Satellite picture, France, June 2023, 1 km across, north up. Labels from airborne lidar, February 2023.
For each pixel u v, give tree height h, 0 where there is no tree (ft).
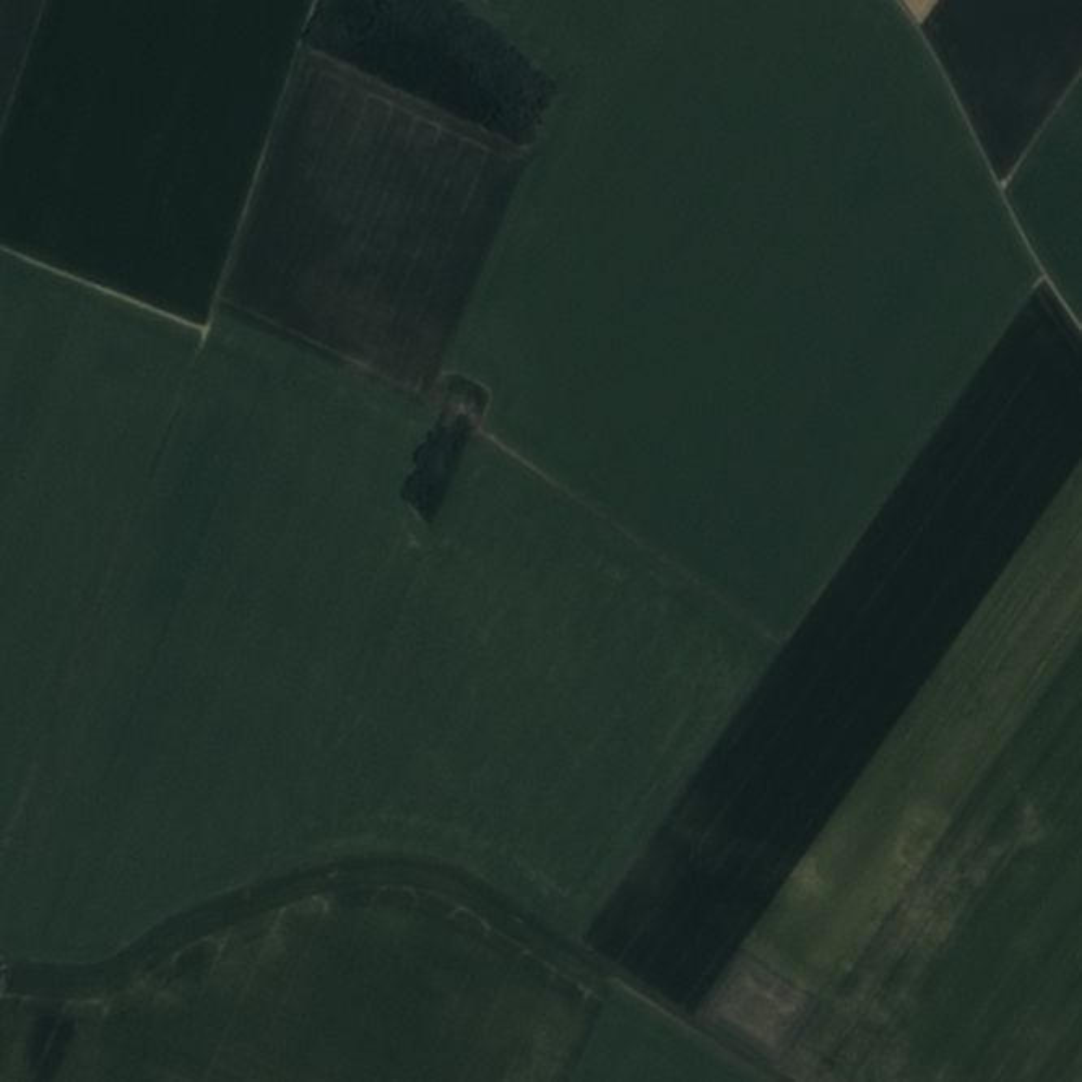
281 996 0
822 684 0
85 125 0
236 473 0
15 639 0
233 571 0
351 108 0
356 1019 0
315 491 0
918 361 0
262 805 0
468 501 0
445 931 0
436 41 56
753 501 0
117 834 0
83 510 0
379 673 0
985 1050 0
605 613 0
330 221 0
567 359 0
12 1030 0
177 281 0
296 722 0
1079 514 0
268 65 0
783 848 0
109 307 0
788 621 0
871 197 0
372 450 0
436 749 0
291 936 0
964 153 0
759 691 0
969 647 0
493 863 0
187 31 0
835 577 0
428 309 0
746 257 0
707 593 0
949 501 0
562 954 0
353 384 0
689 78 0
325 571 0
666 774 0
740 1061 0
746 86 0
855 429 0
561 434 0
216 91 0
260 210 0
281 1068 0
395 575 0
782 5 0
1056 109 0
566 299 0
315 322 0
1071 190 0
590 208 0
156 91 0
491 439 0
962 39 0
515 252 0
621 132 0
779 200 0
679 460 0
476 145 0
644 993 0
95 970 0
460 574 0
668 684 0
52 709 0
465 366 0
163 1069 0
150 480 0
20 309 0
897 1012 0
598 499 0
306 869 0
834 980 0
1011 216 0
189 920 0
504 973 0
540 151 0
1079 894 0
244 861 0
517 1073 0
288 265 0
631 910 0
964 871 0
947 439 0
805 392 0
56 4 0
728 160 0
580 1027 0
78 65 0
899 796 0
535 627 0
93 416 0
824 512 0
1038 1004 0
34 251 0
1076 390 0
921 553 0
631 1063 0
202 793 0
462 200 0
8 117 0
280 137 0
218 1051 0
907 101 0
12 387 0
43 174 0
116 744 0
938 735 0
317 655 0
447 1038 0
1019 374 0
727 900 0
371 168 0
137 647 0
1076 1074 0
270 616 0
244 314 0
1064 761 0
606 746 0
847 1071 0
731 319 0
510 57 47
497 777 0
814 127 0
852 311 0
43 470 0
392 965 0
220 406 0
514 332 0
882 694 0
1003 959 0
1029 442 0
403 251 0
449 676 0
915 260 0
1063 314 0
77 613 0
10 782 0
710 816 0
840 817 0
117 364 0
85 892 0
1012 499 0
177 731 0
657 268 0
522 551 0
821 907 0
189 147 0
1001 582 0
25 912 0
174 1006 0
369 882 0
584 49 0
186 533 0
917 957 0
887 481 0
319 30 52
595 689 0
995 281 0
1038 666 0
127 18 0
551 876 0
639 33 0
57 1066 0
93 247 0
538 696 0
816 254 0
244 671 0
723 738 0
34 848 0
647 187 0
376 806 0
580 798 0
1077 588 0
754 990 0
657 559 0
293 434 0
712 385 0
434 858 0
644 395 0
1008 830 0
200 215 0
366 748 0
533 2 0
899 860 0
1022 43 0
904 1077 0
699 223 0
